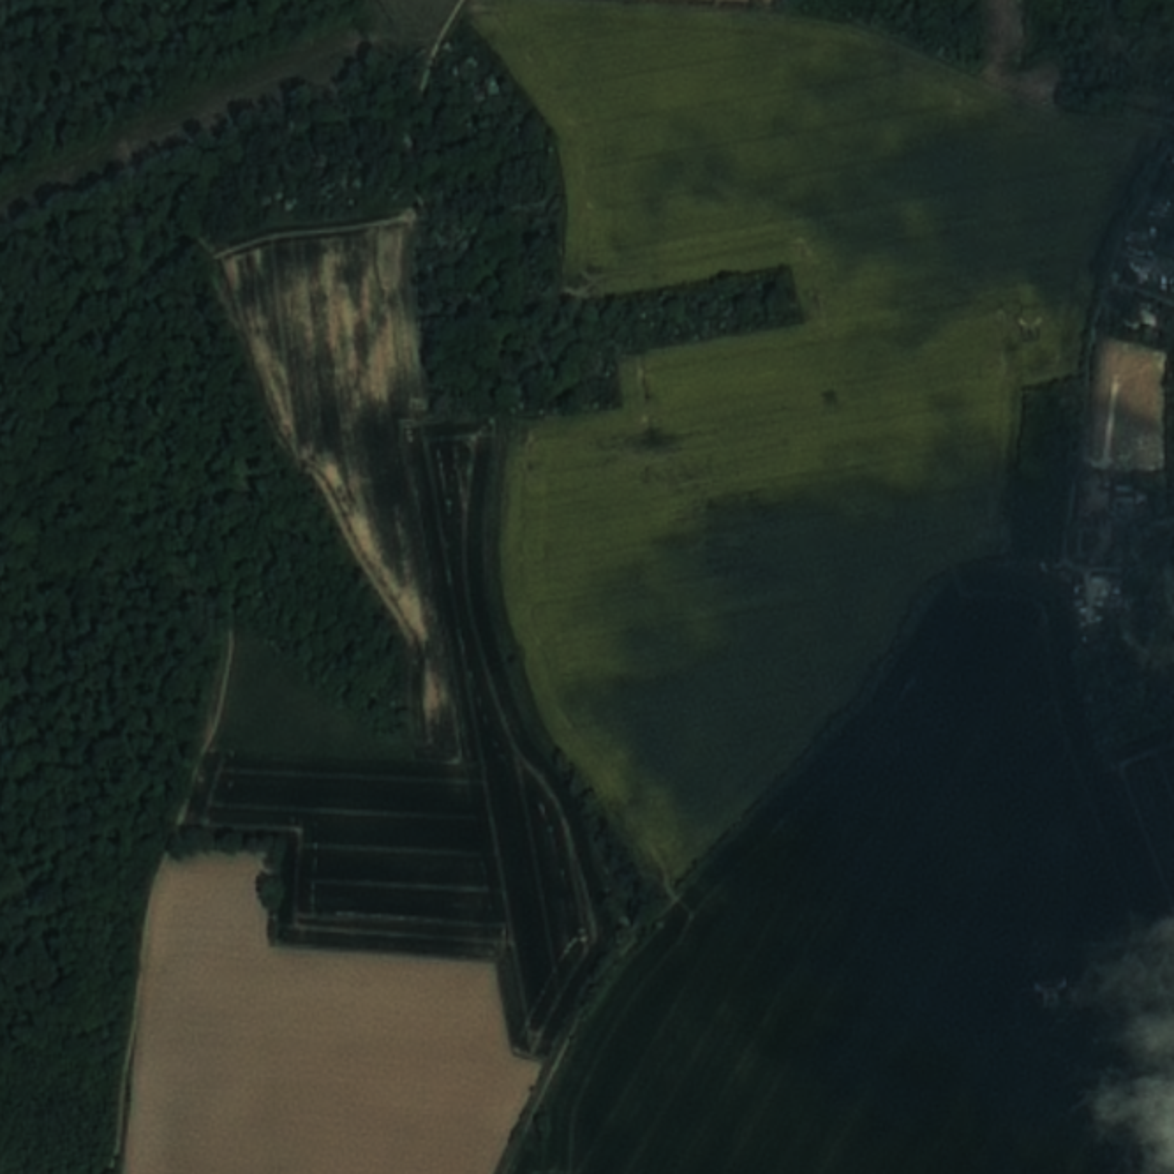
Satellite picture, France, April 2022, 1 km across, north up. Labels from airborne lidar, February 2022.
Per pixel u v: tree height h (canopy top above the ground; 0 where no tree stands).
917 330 0
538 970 0
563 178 0
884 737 0
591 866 0
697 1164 0
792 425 0
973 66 11
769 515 0
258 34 24
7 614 21
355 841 0
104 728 28
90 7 25
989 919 0
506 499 0
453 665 0
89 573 19
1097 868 0
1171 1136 0
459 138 12
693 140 0
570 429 0
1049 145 0
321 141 21
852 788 0
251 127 23
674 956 0
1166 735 0
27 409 26
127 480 25
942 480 0
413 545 0
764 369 0
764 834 0
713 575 0
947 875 0
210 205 25
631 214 0
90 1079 16
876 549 0
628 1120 0
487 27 0
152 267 27
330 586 24
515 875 0
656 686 0
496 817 0
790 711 0
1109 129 0
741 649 0
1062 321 0
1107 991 0
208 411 23
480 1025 0
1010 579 0
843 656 0
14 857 16
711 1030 0
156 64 25
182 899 0
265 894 19
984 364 0
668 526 0
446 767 0
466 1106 0
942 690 0
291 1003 0
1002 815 0
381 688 14
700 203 0
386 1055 0
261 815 0
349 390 0
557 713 0
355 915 0
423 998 0
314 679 10
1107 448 0
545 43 0
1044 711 0
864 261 0
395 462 0
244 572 18
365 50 0
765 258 0
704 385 0
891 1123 0
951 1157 0
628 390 0
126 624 23
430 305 20
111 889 21
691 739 0
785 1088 0
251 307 0
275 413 0
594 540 0
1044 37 7
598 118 0
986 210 0
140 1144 0
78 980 22
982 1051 0
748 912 0
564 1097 0
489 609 0
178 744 15
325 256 0
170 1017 0
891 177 0
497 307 24
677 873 0
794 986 0
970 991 0
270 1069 0
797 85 0
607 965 12
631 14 0
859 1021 0
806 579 0
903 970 0
